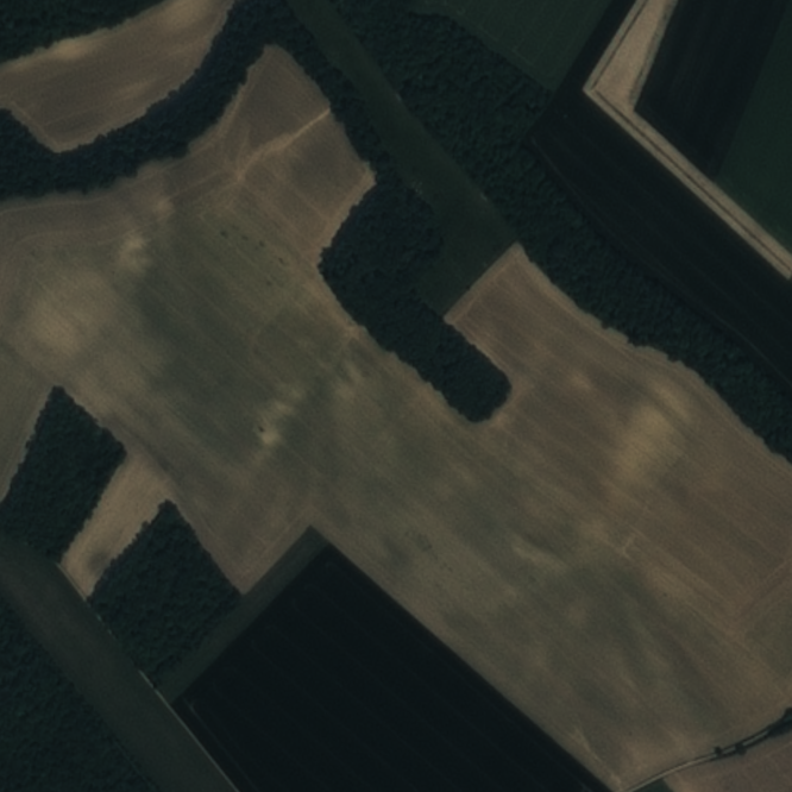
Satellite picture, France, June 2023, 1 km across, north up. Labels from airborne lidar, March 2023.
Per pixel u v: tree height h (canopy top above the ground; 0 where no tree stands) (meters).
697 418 0
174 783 0
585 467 0
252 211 0
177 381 0
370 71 0
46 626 0
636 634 0
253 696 0
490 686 0
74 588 0
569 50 0
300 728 0
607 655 0
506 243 0
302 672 0
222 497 0
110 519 0
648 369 0
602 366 0
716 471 0
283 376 0
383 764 0
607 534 0
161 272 0
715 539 0
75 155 9
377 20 9
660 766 0
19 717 17
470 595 0
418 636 0
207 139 0
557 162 0
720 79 0
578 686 0
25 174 20
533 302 0
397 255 20
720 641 0
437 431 0
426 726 0
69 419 18
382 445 0
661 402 0
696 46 0
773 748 0
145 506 0
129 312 0
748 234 0
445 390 14
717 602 0
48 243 0
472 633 0
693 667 0
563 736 0
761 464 0
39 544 13
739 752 8
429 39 19
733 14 0
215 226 0
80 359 0
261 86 0
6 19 18
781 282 0
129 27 0
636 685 0
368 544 0
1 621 16
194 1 0
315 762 0
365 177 0
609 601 0
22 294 0
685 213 0
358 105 12
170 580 9
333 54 0
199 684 0
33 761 23
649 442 0
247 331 0
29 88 0
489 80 13
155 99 0
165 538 10
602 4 0
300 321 0
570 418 0
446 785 0
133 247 0
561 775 0
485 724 0
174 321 0
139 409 0
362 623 0
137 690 0
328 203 0
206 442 0
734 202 0
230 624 0
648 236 0
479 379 21
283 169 0
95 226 0
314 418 0
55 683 15
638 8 0
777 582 0
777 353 0
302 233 0
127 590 17
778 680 0
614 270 15
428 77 14
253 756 0
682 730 0
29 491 15
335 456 0
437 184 0
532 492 0
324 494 0
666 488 0
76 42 0
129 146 11
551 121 0
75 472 18
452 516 0
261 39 16
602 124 0
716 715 0
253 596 0
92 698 0
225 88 17
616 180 0
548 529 0
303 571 0
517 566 0
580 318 0
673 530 0
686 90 0
